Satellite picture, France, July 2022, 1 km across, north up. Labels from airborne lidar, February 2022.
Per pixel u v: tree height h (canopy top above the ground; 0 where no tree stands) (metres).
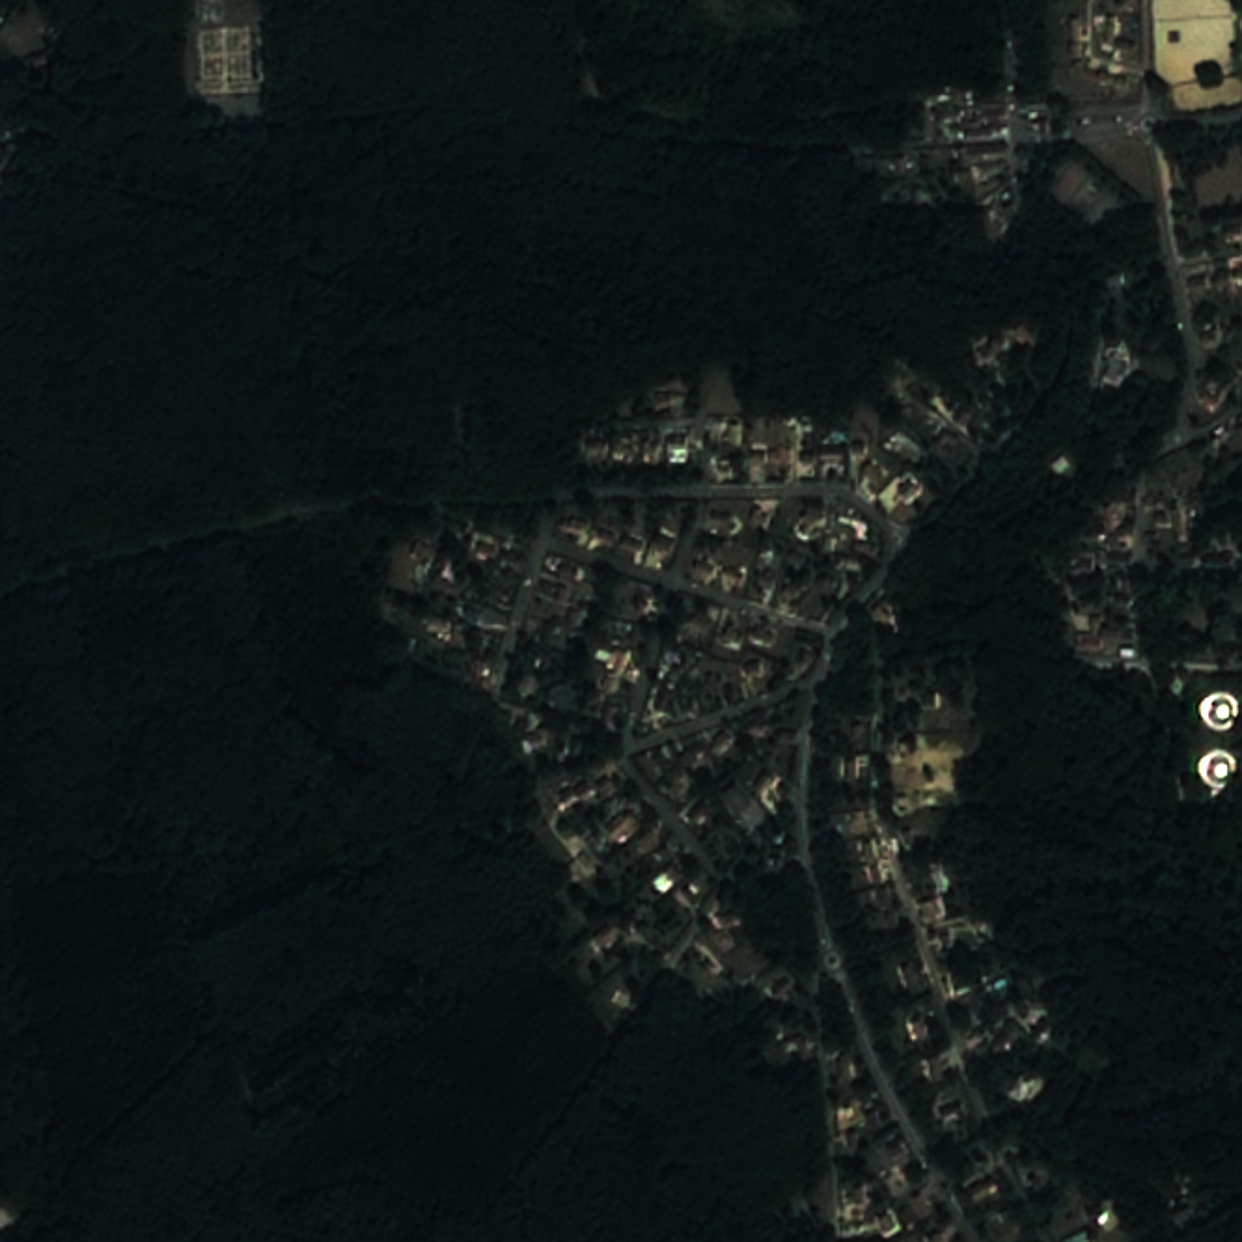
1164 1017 27
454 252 24
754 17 0
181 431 21
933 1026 17
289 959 28
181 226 26
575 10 15
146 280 21
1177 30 0
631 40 14
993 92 10
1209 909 28
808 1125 22
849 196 24
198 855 24
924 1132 9
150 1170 26
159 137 25
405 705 28
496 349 21
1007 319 20
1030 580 28
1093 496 15
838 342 25
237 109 0
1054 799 19
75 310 21
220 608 26
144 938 15
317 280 22
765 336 23
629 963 21
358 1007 29
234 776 28
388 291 17
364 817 26
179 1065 17
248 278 26
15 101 22
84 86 27
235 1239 26
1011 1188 14
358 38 25
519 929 25
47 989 19
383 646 21
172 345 23
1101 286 20
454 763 24
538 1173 23
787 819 16
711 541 7
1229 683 10
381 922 27
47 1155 22
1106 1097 25
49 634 21
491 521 16
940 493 8
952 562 26
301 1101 24
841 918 20
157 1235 21
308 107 23
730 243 27
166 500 25
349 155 23
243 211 21
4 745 24
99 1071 17
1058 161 17
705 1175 25
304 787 29
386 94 19
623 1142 24
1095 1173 17
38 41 0
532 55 24
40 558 17
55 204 21
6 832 24
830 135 11
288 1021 27
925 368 17
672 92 7
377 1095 11
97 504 25
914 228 12
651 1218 26
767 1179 23
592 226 24
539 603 6
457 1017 11
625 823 0
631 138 23
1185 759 13
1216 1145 27
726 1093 26
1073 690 28
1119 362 0
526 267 22
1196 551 9
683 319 23
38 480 20
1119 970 26
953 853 7
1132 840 16
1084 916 28
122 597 27
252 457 24
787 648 0
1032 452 17
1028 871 19
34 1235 8
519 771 17
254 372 26
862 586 14
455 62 22
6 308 16
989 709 24
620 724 18
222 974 26
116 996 14
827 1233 19
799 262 29
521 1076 12
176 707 26
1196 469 0
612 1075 21
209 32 0
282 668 7
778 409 12
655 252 21
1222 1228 18
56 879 17
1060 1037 18
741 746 17
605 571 19
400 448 27
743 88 19
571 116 15
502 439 26
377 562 16
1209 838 23
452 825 19
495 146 24
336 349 29
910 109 12
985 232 17
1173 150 8
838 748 9
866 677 19
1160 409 22
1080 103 0
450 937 26
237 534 15
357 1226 21
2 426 23
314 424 27
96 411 23
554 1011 11
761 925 16
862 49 17
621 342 26
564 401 26
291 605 10
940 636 16
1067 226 16
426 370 23
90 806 27
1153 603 24
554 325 18
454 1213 22
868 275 16
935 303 22
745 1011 16
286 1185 13
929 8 17
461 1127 14
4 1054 26
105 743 28
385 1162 15
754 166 22
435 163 23
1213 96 0
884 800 15
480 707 16
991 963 21
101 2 23
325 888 24
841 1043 8
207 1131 28
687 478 9
